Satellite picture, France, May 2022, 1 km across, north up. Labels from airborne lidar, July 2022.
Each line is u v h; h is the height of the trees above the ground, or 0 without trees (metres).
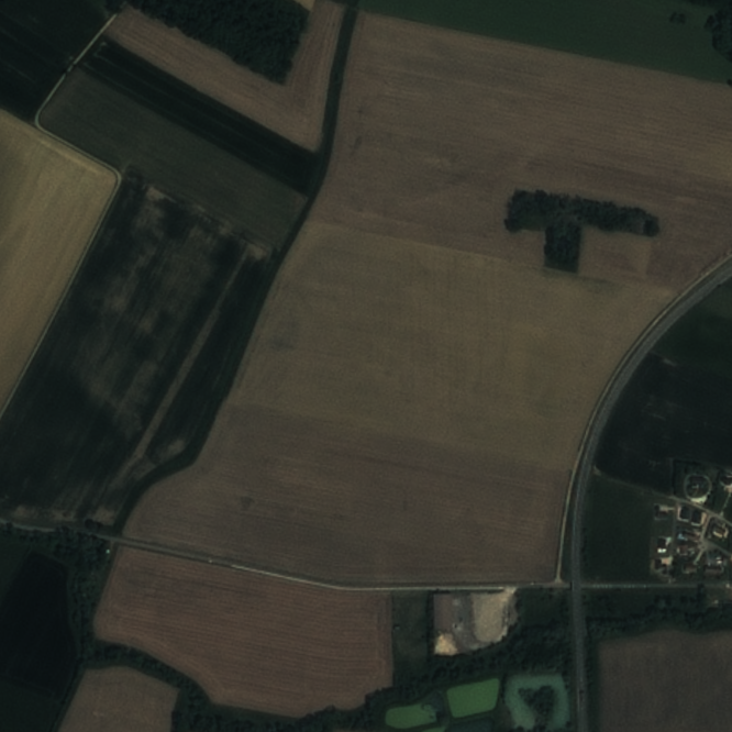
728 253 0
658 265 0
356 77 0
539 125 0
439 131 0
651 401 0
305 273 0
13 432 0
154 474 0
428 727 0
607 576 0
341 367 0
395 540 0
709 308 0
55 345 0
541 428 0
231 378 0
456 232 0
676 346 0
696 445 0
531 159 0
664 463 0
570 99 0
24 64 0
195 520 0
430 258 0
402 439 0
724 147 0
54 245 0
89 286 0
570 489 0
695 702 0
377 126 0
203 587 0
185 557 0
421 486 0
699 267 0
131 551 0
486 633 0
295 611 0
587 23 0
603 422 0
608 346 0
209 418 0
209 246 0
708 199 0
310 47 0
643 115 0
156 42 0
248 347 0
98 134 0
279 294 0
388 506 0
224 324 0
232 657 0
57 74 0
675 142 0
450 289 0
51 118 0
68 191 0
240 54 14
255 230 0
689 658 0
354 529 0
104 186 0
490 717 0
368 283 0
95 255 0
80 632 6
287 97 0
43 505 0
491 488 0
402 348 0
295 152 0
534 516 0
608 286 0
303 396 0
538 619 0
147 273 0
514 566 0
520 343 0
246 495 0
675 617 18
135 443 0
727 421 0
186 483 0
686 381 0
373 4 0
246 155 0
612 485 0
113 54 0
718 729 0
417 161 0
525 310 0
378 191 0
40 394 0
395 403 0
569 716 0
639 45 0
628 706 0
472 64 0
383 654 0
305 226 0
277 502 0
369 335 0
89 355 0
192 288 0
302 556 0
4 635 0
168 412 0
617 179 0
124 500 0
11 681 0
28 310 0
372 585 0
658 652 0
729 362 0
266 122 0
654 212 0
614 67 0
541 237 0
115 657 18
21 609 0
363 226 0
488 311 0
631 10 0
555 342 0
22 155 0
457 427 0
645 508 0
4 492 0
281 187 0
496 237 0
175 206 0
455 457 0
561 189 0
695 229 0
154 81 0
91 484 0
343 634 0
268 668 0
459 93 0
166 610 0
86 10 0
